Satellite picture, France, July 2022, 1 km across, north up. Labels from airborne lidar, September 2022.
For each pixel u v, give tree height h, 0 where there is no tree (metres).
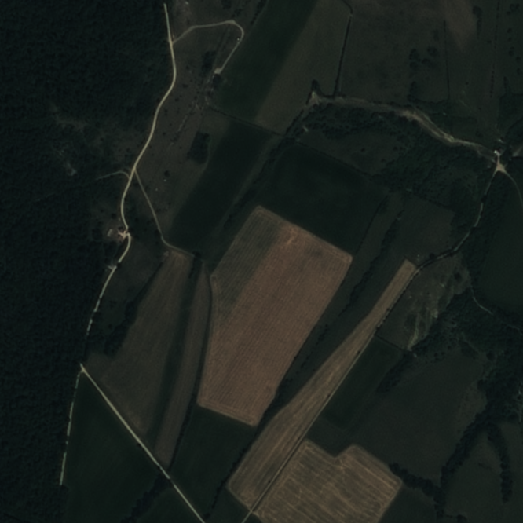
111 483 0
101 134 0
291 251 0
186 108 0
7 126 7
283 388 9
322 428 0
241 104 0
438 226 0
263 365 0
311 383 0
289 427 0
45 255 12
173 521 0
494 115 0
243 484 0
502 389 16
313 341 0
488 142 0
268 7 0
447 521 0
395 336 0
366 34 0
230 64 0
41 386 16
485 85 0
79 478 0
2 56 17
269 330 0
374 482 0
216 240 0
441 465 0
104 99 13
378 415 0
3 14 18
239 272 0
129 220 9
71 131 9
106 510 0
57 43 16
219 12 0
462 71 0
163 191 0
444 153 6
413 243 0
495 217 7
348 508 0
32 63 16
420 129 6
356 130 6
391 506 0
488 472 0
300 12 0
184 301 0
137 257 0
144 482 0
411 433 0
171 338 0
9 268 14
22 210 14
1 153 15
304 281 0
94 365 0
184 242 0
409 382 0
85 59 13
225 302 0
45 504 17
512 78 0
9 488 13
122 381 0
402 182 7
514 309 0
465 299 6
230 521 0
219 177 0
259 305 0
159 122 0
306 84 0
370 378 0
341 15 0
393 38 0
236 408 0
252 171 0
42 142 13
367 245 0
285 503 0
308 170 0
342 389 0
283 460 0
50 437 9
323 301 0
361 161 0
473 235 8
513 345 11
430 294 0
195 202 0
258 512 0
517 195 0
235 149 0
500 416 17
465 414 0
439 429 0
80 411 0
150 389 0
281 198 0
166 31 7
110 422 0
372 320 0
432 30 0
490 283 0
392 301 0
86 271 21
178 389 0
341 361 0
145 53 7
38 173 17
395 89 0
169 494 0
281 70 0
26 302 15
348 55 0
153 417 0
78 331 18
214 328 0
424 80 0
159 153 0
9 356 17
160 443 0
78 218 15
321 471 0
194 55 0
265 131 0
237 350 0
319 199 0
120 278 0
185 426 6
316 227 0
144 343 0
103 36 17
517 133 9
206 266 0
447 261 0
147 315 0
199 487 0
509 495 9
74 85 16
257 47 0
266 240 0
